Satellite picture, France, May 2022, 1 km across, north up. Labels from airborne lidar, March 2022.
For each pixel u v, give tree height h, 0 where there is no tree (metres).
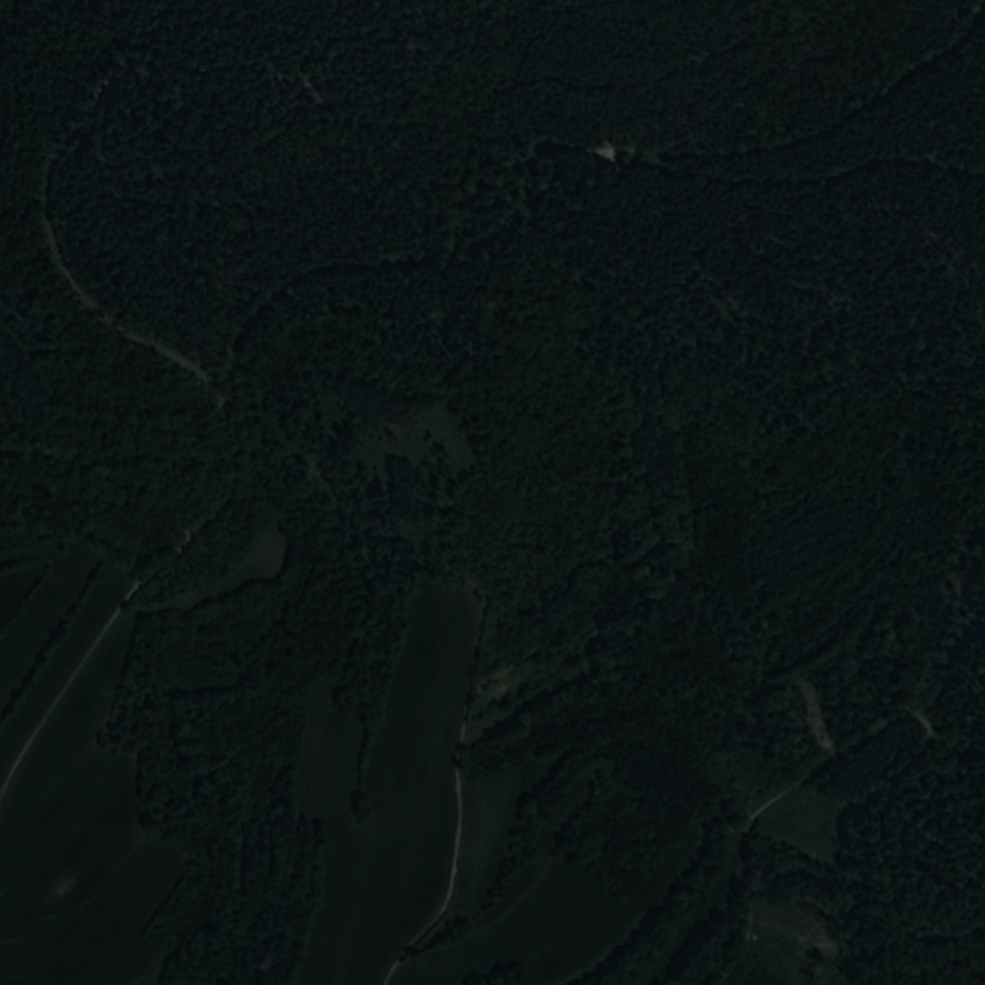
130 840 0
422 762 0
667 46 23
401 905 0
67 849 0
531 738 18
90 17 32
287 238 29
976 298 20
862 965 30
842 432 8
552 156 28
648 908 0
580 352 24
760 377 17
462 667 0
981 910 22
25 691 7
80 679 0
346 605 9
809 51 28
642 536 32
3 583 0
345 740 0
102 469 24
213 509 13
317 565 10
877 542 10
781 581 16
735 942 20
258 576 0
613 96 29
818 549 16
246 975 13
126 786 0
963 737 20
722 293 30
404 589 18
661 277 27
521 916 0
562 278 21
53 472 21
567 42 25
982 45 30
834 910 30
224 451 18
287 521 11
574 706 16
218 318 20
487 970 0
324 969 0
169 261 24
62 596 0
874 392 31
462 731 0
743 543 10
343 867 0
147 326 12
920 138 26
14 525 20
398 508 21
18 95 10
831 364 23
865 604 10
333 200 27
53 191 10
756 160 28
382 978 0
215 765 23
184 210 25
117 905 0
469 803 0
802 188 29
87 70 13
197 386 13
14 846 0
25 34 34
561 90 25
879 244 25
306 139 24
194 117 25
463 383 17
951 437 12
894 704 26
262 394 14
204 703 21
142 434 26
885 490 17
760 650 16
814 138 30
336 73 27
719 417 31
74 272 11
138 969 0
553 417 14
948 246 26
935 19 27
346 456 15
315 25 27
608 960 0
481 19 26
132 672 11
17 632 0
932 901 22
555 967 0
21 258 10
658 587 30
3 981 0
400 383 12
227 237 21
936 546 12
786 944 0
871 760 26
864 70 26
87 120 26
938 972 23
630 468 27
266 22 27
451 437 0
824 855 0
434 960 0
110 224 21
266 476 15
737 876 0
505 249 29
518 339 14
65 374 20
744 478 22
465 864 0
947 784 26
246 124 25
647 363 24
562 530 13
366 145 22
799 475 13
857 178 33
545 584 15
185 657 6
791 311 26
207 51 30
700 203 27
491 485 12
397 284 28
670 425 22
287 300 30
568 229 26
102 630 0
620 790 12
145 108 28
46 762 0
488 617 9
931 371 16
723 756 28
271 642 9
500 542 7
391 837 0
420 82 26
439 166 27
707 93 25
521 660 8
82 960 0
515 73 23
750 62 28
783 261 25
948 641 26
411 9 24
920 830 18
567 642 11
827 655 21
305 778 0
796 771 24
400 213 26
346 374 16
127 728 13
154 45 24
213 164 26
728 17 28
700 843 0
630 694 18
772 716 26
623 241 26
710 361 24
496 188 24
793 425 25
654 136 28
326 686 0
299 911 19
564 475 14
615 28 23
